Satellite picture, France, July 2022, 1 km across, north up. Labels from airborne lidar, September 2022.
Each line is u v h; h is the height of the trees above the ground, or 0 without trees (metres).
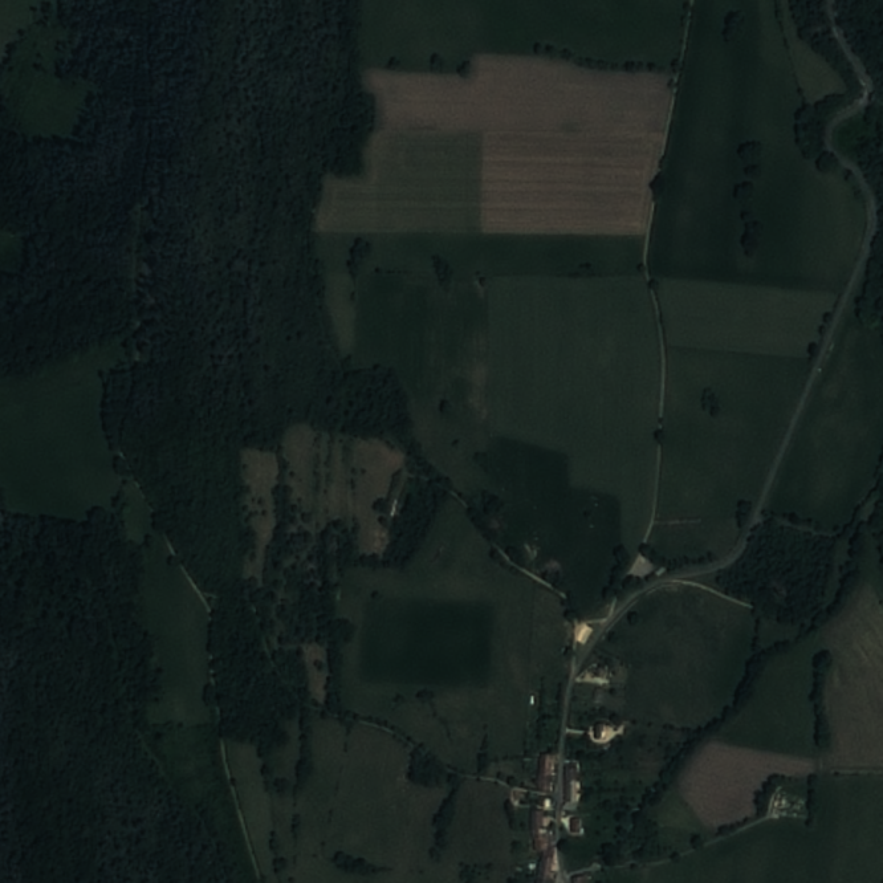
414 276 0
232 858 6
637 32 0
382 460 0
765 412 0
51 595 9
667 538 0
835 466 0
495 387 0
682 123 0
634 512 0
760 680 16
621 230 0
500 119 0
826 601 14
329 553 16
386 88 0
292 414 14
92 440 0
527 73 0
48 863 15
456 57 0
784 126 0
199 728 6
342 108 9
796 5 11
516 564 10
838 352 0
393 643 0
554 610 0
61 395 0
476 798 0
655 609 0
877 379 0
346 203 0
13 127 7
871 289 13
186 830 15
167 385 19
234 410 11
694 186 0
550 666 0
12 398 0
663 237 0
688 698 0
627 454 0
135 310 15
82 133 18
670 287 0
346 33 11
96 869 8
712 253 0
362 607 0
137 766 10
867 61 13
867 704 0
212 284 7
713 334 0
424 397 0
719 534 0
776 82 0
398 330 0
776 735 0
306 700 19
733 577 10
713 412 14
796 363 0
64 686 12
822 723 15
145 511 0
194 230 13
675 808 0
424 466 12
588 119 0
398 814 0
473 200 0
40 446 0
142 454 10
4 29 0
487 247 0
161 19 15
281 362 6
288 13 15
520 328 0
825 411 0
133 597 13
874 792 0
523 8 0
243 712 15
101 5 15
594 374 0
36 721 12
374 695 0
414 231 0
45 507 0
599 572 0
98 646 14
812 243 0
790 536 8
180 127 22
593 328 0
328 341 9
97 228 21
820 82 0
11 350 25
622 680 0
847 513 0
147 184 13
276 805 0
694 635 0
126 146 20
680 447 0
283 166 9
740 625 0
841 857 0
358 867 16
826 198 0
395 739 7
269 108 12
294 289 8
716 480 0
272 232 7
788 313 0
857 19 11
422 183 0
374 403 13
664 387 0
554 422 0
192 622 0
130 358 9
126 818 8
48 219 28
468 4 0
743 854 0
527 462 0
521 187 0
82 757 13
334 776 0
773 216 0
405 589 0
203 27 18
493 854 0
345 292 0
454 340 0
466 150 0
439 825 15
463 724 0
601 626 0
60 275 24
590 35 0
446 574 0
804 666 0
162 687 16
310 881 0
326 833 0
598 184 0
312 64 14
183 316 15
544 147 0
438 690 0
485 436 0
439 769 16
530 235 0
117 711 19
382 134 0
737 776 0
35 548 9
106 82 18
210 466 5
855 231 0
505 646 0
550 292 0
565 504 0
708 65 0
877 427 0
